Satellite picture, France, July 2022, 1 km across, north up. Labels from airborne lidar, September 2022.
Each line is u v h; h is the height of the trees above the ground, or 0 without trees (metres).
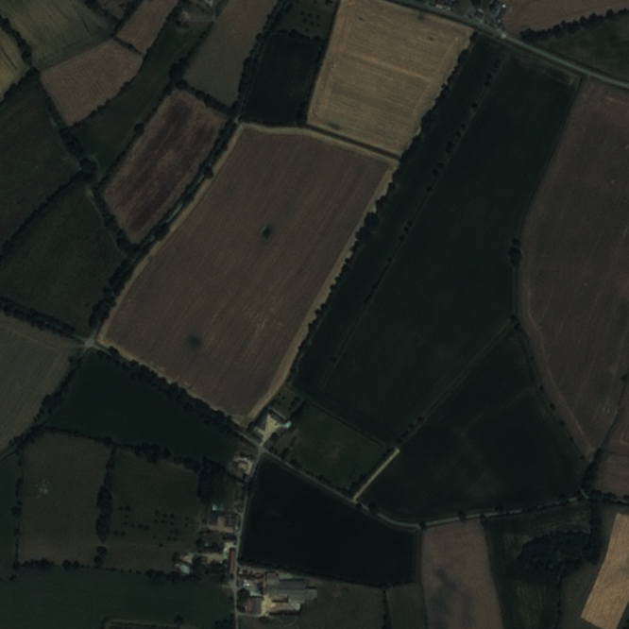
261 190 0
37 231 0
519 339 0
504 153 0
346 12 0
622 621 0
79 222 0
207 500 28
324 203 0
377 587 7
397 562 0
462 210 0
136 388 0
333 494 0
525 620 0
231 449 0
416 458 0
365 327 0
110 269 0
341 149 0
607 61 0
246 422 0
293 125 0
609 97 0
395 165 0
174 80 15
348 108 0
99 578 0
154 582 13
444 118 0
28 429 0
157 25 0
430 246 0
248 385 0
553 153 0
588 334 0
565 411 0
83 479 0
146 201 0
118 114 0
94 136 0
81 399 0
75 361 11
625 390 0
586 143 0
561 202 0
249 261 0
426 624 0
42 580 0
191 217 0
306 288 0
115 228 12
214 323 0
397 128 0
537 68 0
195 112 0
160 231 14
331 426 0
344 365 0
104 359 17
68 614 0
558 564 8
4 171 0
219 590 0
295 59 0
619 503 8
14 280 0
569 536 13
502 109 0
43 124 0
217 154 11
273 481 0
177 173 0
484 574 0
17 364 0
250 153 0
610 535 0
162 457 8
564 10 0
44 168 0
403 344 0
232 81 0
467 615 0
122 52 0
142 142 0
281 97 0
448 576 0
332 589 0
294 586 0
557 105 0
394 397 0
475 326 0
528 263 0
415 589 0
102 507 23
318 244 0
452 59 0
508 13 0
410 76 0
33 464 0
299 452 0
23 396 0
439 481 0
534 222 0
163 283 0
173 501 0
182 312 0
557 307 0
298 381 0
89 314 0
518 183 0
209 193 0
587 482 12
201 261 0
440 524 0
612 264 0
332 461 0
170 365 0
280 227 0
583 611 0
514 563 0
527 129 0
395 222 0
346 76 0
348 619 0
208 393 0
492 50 0
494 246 0
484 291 0
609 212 0
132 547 0
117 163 6
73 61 0
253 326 0
